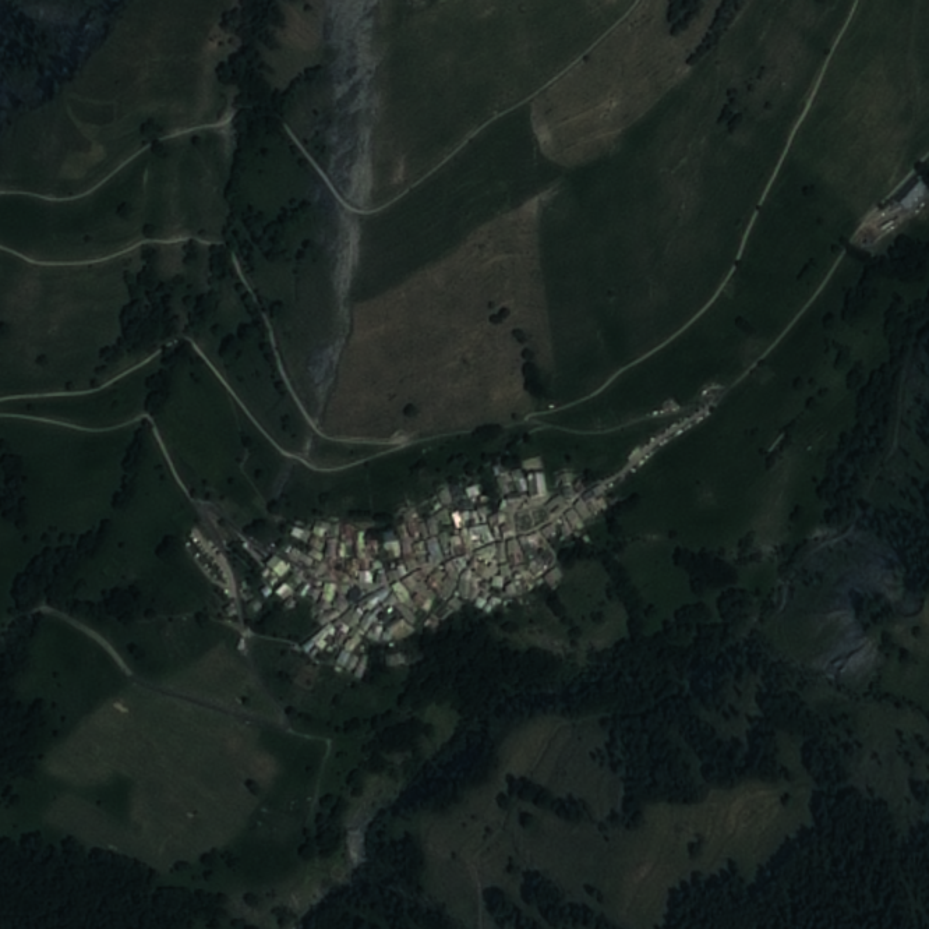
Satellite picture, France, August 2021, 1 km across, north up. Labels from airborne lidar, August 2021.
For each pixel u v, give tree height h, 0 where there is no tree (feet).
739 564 36
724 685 107
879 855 65
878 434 60
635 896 0
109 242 0
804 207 0
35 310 0
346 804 59
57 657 0
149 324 73
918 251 66
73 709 0
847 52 0
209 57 0
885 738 0
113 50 0
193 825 0
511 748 0
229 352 53
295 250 0
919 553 51
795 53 0
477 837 0
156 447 0
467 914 0
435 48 0
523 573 0
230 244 46
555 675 66
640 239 0
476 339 0
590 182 0
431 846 0
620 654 59
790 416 0
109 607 49
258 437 0
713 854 0
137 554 0
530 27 0
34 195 0
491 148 0
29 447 0
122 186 0
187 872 43
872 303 45
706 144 0
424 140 0
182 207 0
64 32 0
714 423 0
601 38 0
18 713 66
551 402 0
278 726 0
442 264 0
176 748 0
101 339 0
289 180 0
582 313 0
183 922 79
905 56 0
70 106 0
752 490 0
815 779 46
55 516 0
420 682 36
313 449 0
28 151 0
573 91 0
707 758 44
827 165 0
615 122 0
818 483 41
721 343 0
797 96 0
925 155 0
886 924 50
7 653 86
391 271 0
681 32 43
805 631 0
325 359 0
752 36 0
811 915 58
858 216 0
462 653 80
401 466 0
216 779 0
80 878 98
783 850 0
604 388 0
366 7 0
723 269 0
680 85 0
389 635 0
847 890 62
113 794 0
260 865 0
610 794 0
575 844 0
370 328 0
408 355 0
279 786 0
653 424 0
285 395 30
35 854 47
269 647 0
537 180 0
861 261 29
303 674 0
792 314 0
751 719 0
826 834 60
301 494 0
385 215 0
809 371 0
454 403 0
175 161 0
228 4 0
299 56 0
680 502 0
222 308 0
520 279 0
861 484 70
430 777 27
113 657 0
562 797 0
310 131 0
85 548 73
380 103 0
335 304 0
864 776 0
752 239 0
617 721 30
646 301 0
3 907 72
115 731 0
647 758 34
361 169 0
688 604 0
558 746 0
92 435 0
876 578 0
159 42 0
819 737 53
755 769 61
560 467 0
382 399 0
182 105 0
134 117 0
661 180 0
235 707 0
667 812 0
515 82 0
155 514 0
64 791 0
